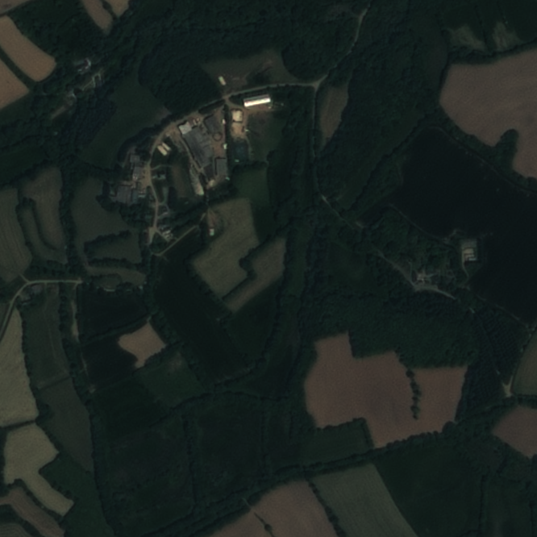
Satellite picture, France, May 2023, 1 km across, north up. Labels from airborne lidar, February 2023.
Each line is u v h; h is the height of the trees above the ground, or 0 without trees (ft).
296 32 35
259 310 0
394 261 41
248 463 0
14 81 0
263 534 0
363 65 36
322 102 30
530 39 0
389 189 29
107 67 36
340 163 53
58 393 0
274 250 0
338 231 28
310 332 56
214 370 0
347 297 37
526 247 0
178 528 49
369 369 0
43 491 0
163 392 0
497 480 41
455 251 36
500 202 0
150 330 0
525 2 0
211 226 0
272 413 22
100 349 0
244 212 0
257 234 0
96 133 65
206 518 41
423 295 25
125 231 0
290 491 0
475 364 56
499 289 0
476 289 0
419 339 75
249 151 0
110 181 59
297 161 26
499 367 94
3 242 0
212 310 0
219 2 54
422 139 0
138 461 0
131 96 0
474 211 0
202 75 56
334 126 0
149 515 0
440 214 0
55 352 0
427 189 0
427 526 0
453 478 0
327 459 0
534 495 52
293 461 0
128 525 0
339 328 68
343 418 0
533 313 0
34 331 0
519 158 0
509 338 100
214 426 0
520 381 0
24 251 0
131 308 0
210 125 0
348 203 0
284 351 0
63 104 0
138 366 0
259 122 0
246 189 0
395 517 0
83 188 0
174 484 0
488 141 0
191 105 53
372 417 0
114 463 0
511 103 0
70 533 31
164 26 92
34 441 0
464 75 0
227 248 0
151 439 0
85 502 0
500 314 36
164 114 0
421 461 0
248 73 0
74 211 0
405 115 43
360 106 56
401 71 34
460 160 0
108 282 0
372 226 29
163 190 0
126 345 0
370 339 70
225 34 40
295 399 45
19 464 0
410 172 0
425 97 52
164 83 61
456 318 88
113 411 0
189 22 34
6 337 0
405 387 0
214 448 0
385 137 53
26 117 0
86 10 21
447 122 59
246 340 0
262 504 0
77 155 25
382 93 57
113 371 0
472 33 0
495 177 0
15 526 0
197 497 52
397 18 29
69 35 0
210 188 0
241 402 55
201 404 61
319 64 25
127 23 73
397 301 34
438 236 0
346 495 0
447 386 0
